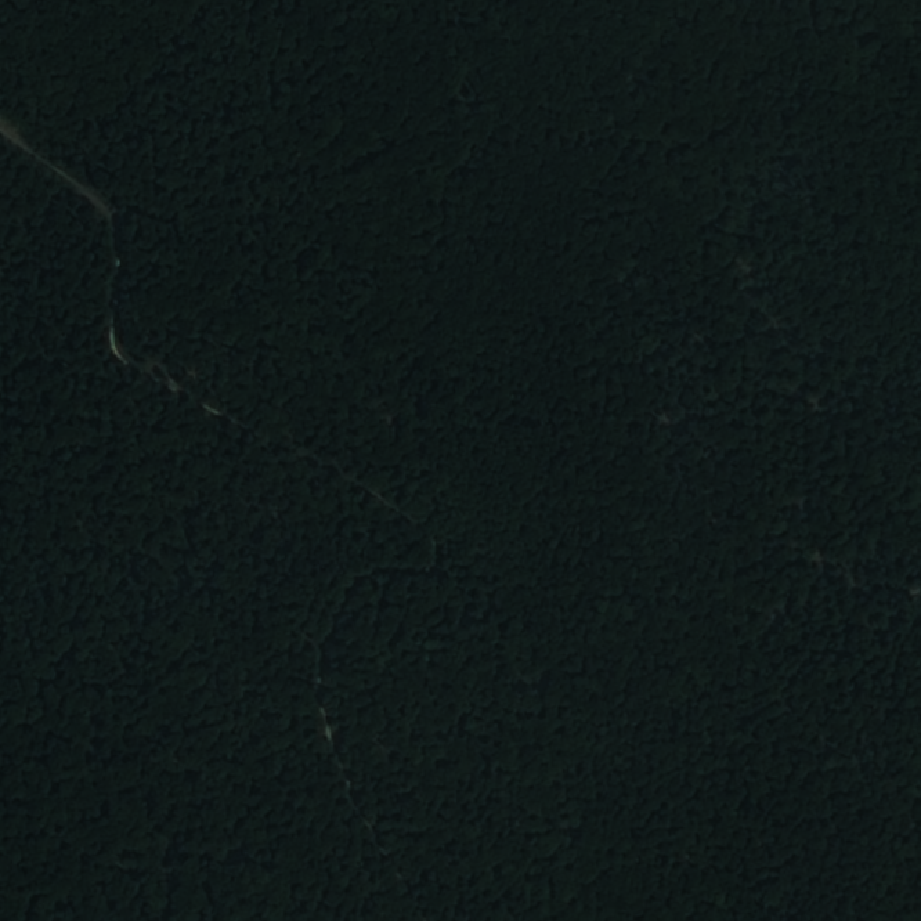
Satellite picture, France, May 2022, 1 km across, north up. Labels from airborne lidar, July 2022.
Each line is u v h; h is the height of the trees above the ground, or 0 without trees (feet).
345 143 100
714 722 87
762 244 99
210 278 100
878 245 88
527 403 90
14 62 99
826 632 59
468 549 79
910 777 88
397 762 61
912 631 92
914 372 84
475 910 82
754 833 65
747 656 96
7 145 48
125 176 97
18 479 93
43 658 98
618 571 95
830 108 97
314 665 66
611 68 92
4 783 105
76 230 93
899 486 83
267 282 83
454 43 102
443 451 81
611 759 93
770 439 99
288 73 93
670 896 100
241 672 93
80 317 86
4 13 94
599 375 91
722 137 104
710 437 96
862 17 97
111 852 95
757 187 115
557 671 89
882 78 111
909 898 89
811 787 97
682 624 97
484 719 91
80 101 93
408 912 93
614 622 98
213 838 88
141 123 100
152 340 102
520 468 92
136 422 86
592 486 71
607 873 86
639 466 100
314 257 96
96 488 85
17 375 85
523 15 93
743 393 52
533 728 92
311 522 90
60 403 94
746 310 105
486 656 97
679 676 91
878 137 86
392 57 95
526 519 84
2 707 89
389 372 99
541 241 87
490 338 93
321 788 92
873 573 100
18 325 79
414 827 89
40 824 91
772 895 100
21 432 100
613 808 90
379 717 87
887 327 81
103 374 77
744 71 60
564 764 80
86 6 96
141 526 86
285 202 93
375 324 101
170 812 103
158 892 102
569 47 90
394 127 96
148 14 95
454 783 92
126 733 104
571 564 86
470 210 101
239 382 94
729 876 103
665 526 87
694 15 99
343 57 100
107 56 86
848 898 91
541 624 89
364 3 91
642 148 83
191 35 103
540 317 23
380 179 96
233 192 86
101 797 93
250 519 102
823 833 95
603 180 90
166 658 83
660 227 101
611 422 88
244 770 96
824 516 100
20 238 89
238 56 103
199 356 95
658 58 94
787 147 104
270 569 91
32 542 87
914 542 68
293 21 102
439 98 98
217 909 103
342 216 81
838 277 89
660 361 87
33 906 91
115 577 92
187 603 92
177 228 97
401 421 91
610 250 104
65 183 39
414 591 106
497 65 100
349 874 100
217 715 97
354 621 90
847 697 91
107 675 99
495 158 102
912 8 86
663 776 90
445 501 77
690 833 88
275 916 100
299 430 92
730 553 91
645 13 96
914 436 84
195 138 90
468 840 87
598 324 92
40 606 97
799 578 89
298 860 99
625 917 71
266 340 89
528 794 101
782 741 96
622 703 89
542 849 93
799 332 72
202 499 89
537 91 82
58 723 99
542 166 88
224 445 73
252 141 100
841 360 85
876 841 92
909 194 84
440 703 83
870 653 88
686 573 83
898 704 97
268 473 81
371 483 86
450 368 90
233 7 104
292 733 92
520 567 82
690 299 98
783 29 97
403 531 94
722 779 96
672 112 98
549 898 72
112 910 91
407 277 112
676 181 72
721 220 111
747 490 94
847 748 83
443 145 97
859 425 109
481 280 92
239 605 88
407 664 89
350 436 86
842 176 88
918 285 71
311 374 89
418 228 87
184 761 94
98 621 90
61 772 96
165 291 101
